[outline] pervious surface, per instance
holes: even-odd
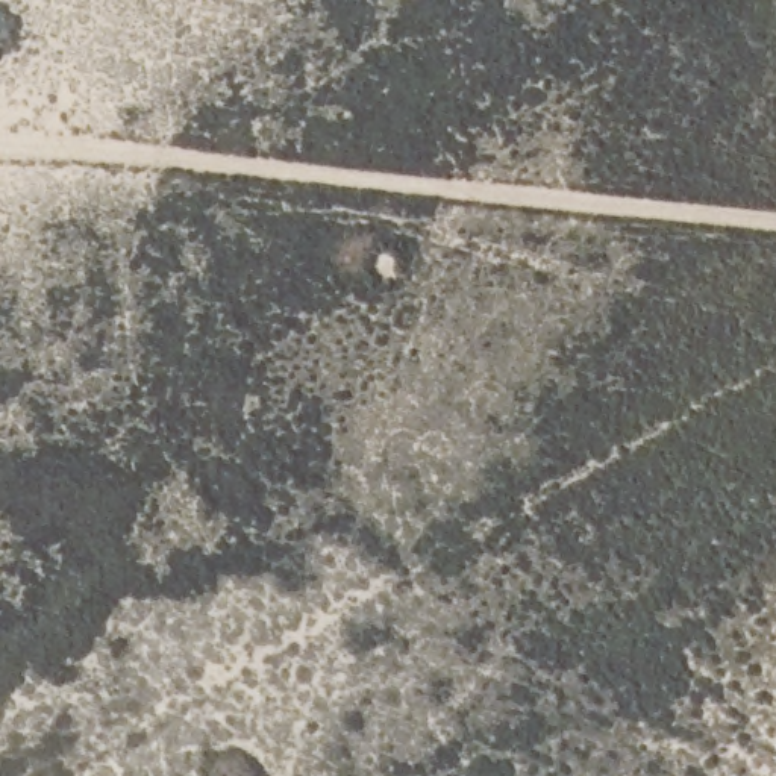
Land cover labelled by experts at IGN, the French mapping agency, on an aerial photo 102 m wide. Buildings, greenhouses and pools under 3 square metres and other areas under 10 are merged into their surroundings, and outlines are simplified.
[[[21,18],[21,42],[15,52],[0,58],[0,158],[91,158],[115,164],[158,164],[200,173],[239,173],[285,182],[321,182],[343,188],[379,188],[433,197],[579,209],[600,215],[776,230],[776,212],[585,191],[494,185],[473,179],[427,179],[321,164],[294,164],[276,158],[215,155],[179,146],[139,146],[118,139],[73,136],[79,124],[115,130],[121,118],[121,109],[146,106],[152,94],[179,88],[188,79],[188,73],[209,79],[209,61],[218,58],[218,45],[239,49],[239,36],[233,30],[249,30],[261,39],[276,33],[279,24],[291,18],[291,12],[279,0],[12,0],[9,9]]]
[[[534,515],[537,506],[543,506],[552,497],[552,488],[558,485],[573,488],[597,470],[612,467],[618,461],[618,449],[612,446],[609,455],[585,461],[567,476],[543,479],[534,494],[524,494],[521,512]]]
[[[379,597],[385,588],[394,585],[397,576],[385,573],[379,573],[367,588],[346,591],[340,600],[333,597],[333,591],[327,591],[327,612],[306,612],[297,631],[282,634],[288,646],[306,646],[312,637],[321,637],[330,624],[343,621],[346,618],[352,606]]]
[[[236,679],[243,670],[258,673],[267,667],[267,655],[276,655],[273,646],[258,646],[255,655],[246,655],[243,646],[233,643],[233,664],[221,670],[218,664],[209,664],[200,676],[203,688],[224,685],[227,679]]]
[[[637,433],[634,440],[627,440],[627,446],[634,449],[634,452],[637,452],[637,449],[643,449],[646,443],[652,443],[652,440],[658,440],[658,437],[664,437],[667,430],[670,430],[670,421],[658,421],[658,424],[652,424],[652,427],[646,427],[643,433]]]
[[[776,373],[776,364],[767,361],[743,379],[724,382],[691,400],[691,409],[703,409],[709,400],[746,391],[764,373]]]
[[[82,170],[0,167],[0,197],[45,194],[49,185],[79,182]]]

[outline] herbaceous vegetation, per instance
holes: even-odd
[[[473,179],[494,185],[585,191],[585,167],[570,158],[573,142],[582,136],[582,124],[570,118],[570,109],[579,103],[576,97],[570,97],[558,103],[555,88],[543,103],[518,106],[491,118],[491,133],[479,139],[476,149],[494,155],[494,164],[473,167]]]
[[[258,149],[294,142],[294,149],[303,149],[306,121],[285,127],[279,118],[255,118],[252,133]]]
[[[139,209],[155,209],[158,185],[149,185],[142,173],[82,170],[79,182],[49,185],[45,194],[0,197],[0,370],[18,370],[21,364],[33,367],[33,379],[24,382],[6,406],[0,406],[0,449],[27,449],[30,455],[36,455],[39,443],[67,443],[85,446],[94,455],[103,452],[109,461],[136,470],[139,458],[124,449],[124,440],[133,427],[142,433],[155,430],[152,388],[136,379],[142,346],[136,333],[152,330],[149,312],[161,303],[176,300],[179,282],[170,273],[167,288],[146,297],[142,285],[149,279],[149,267],[130,270],[130,258],[136,258],[139,239],[146,236],[133,224],[133,218]]]
[[[233,30],[239,36],[239,49],[218,45],[218,58],[209,61],[209,79],[188,73],[188,79],[179,88],[152,94],[146,106],[121,109],[121,118],[127,124],[136,124],[139,118],[152,118],[155,112],[167,112],[176,115],[176,124],[182,127],[188,115],[197,115],[200,106],[224,106],[227,97],[239,94],[255,106],[276,106],[285,100],[285,88],[294,82],[294,73],[300,67],[306,67],[306,91],[315,91],[321,85],[343,88],[346,73],[352,73],[364,61],[370,49],[388,45],[388,24],[391,18],[397,18],[394,0],[379,0],[376,33],[364,36],[355,49],[349,49],[340,42],[336,30],[327,30],[321,0],[279,0],[291,12],[291,18],[279,24],[276,33],[261,39],[249,30]]]
[[[215,218],[215,224],[227,236],[246,236],[255,252],[264,249],[264,236],[255,227],[236,224],[239,215],[252,215],[249,209],[209,206],[206,215]]]
[[[370,236],[358,236],[340,246],[336,258],[349,273],[361,270],[364,249],[370,246]]]
[[[343,621],[330,624],[321,637],[312,637],[306,646],[288,646],[282,634],[297,631],[306,612],[327,612],[327,591],[333,591],[333,597],[340,600],[346,591],[367,588],[379,573],[385,573],[379,564],[364,561],[358,549],[333,546],[324,534],[318,534],[312,537],[312,552],[306,564],[321,576],[321,582],[306,585],[294,594],[279,591],[270,576],[227,576],[221,579],[215,594],[197,600],[124,597],[118,609],[106,618],[106,631],[94,640],[94,649],[85,658],[67,658],[67,667],[79,670],[73,682],[52,685],[36,673],[24,673],[24,682],[18,685],[18,691],[12,691],[0,715],[0,776],[200,776],[200,752],[212,749],[246,749],[261,761],[261,767],[270,776],[336,776],[336,761],[324,755],[327,743],[352,746],[358,776],[470,776],[470,764],[479,758],[509,761],[515,776],[776,776],[776,582],[764,585],[761,609],[749,612],[746,603],[737,603],[734,615],[721,618],[721,624],[715,627],[721,664],[709,667],[694,655],[694,649],[685,646],[685,664],[691,676],[685,694],[673,703],[673,724],[664,737],[661,731],[649,728],[649,721],[627,718],[618,718],[606,731],[597,731],[591,724],[591,712],[606,715],[615,709],[612,688],[600,685],[597,679],[582,682],[585,664],[573,664],[570,670],[543,670],[540,661],[518,655],[512,646],[524,634],[552,637],[546,615],[552,612],[561,621],[570,621],[576,609],[585,609],[588,603],[621,603],[646,597],[649,588],[658,582],[658,567],[649,558],[637,555],[640,573],[631,573],[618,564],[618,558],[609,558],[606,570],[594,582],[585,573],[585,567],[567,564],[558,555],[540,555],[540,546],[552,537],[534,530],[524,530],[521,546],[515,546],[512,552],[506,549],[506,537],[500,537],[491,555],[479,555],[473,567],[446,579],[424,567],[415,555],[415,543],[424,537],[424,527],[446,518],[449,497],[461,497],[467,503],[476,497],[476,476],[494,458],[524,464],[530,458],[527,437],[540,424],[534,406],[540,388],[552,382],[558,385],[561,397],[567,397],[576,388],[576,376],[564,376],[555,367],[555,340],[573,349],[576,336],[585,330],[606,336],[612,330],[609,306],[615,294],[643,291],[643,279],[634,276],[631,267],[643,261],[643,252],[627,252],[627,246],[621,243],[621,230],[597,224],[600,215],[579,209],[433,197],[433,218],[397,215],[391,209],[355,209],[340,203],[312,206],[309,215],[321,215],[324,221],[336,224],[388,221],[397,227],[400,236],[418,243],[424,261],[412,273],[403,273],[391,255],[379,255],[379,273],[385,279],[394,276],[403,285],[400,291],[382,294],[379,303],[367,303],[355,294],[346,294],[343,306],[330,309],[327,315],[297,312],[297,321],[309,324],[309,330],[288,330],[288,336],[273,340],[270,349],[255,352],[255,361],[267,364],[267,376],[285,379],[282,385],[267,388],[267,418],[285,418],[291,424],[291,433],[300,433],[297,415],[303,415],[303,406],[288,403],[294,388],[303,388],[309,397],[321,397],[321,403],[330,409],[330,446],[343,464],[343,476],[333,488],[355,503],[358,515],[376,521],[379,534],[394,537],[400,561],[409,567],[412,585],[409,591],[397,591],[394,585],[385,588],[379,597],[352,606],[346,618],[391,627],[394,634],[409,637],[409,652],[400,652],[385,643],[370,652],[352,655],[343,640]],[[236,679],[227,679],[224,685],[203,688],[200,676],[209,664],[218,664],[221,670],[233,664],[233,643],[243,646],[246,655],[255,655],[258,646],[273,646],[276,655],[267,655],[267,667],[258,673],[243,670]],[[527,721],[527,715],[537,712],[543,712],[549,721],[549,740],[527,746],[524,752],[494,749],[497,724],[518,728],[521,721]],[[430,755],[449,740],[461,746],[461,758],[458,764],[440,770],[430,761]]]
[[[6,600],[12,606],[21,606],[24,582],[0,570],[0,603]]]
[[[706,606],[670,606],[661,615],[664,627],[679,627],[685,618],[706,618]]]
[[[267,540],[279,546],[285,543],[288,530],[315,521],[309,509],[315,503],[324,506],[327,515],[336,515],[336,497],[321,494],[318,488],[300,488],[294,479],[285,479],[285,491],[294,497],[294,509],[288,515],[276,515],[267,527]]]
[[[42,576],[42,561],[27,549],[27,543],[18,534],[12,534],[9,521],[0,518],[0,567],[6,567],[9,561],[24,561],[36,576]]]
[[[534,30],[546,30],[558,18],[573,15],[579,9],[573,0],[503,0],[506,15],[524,15]]]
[[[142,552],[142,564],[149,564],[158,576],[167,576],[167,558],[173,549],[197,546],[212,555],[227,530],[227,515],[200,515],[200,497],[188,488],[188,473],[179,470],[170,482],[164,482],[161,491],[155,488],[146,494],[130,527],[130,543]]]

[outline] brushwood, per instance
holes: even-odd
[[[246,749],[212,749],[200,752],[200,776],[270,776],[261,767],[261,761]]]
[[[673,703],[685,694],[691,676],[685,664],[685,646],[694,649],[694,655],[709,667],[721,664],[715,627],[721,624],[721,618],[734,615],[737,603],[746,603],[749,612],[761,609],[764,585],[776,582],[776,373],[764,373],[746,391],[709,400],[703,409],[691,409],[691,400],[724,382],[743,379],[767,361],[776,364],[776,230],[600,215],[597,224],[621,230],[621,243],[627,246],[627,252],[643,252],[643,261],[631,267],[634,276],[643,279],[643,291],[615,294],[609,306],[612,330],[606,336],[585,330],[576,336],[573,349],[555,340],[555,367],[564,376],[576,376],[576,388],[567,397],[561,397],[558,385],[552,382],[540,388],[534,406],[540,424],[527,437],[530,458],[524,464],[494,458],[476,476],[476,497],[467,503],[461,497],[449,497],[446,518],[424,527],[424,537],[415,543],[415,555],[424,567],[446,579],[473,567],[479,555],[491,555],[500,537],[506,537],[506,549],[512,552],[515,546],[521,546],[524,530],[534,530],[552,537],[540,546],[540,555],[558,555],[567,564],[585,567],[585,573],[594,582],[606,570],[609,558],[618,558],[618,564],[631,573],[640,573],[637,555],[649,558],[658,567],[658,582],[649,588],[646,597],[621,603],[588,603],[585,609],[576,609],[570,621],[561,621],[552,612],[546,615],[552,637],[524,634],[512,646],[518,655],[540,661],[543,670],[570,670],[573,664],[585,664],[582,682],[597,679],[600,685],[612,688],[615,709],[606,715],[591,712],[591,724],[597,731],[606,731],[618,718],[627,718],[649,721],[649,728],[661,731],[664,737],[673,724]],[[658,424],[658,421],[670,421],[670,430],[667,430],[664,437],[658,437],[658,440],[652,440],[652,443],[646,443],[643,449],[637,449],[637,452],[634,452],[634,449],[627,446],[627,440],[634,440],[637,433],[643,433],[646,427],[652,427],[652,424]],[[612,467],[597,470],[573,488],[558,485],[552,488],[552,497],[543,506],[537,506],[534,515],[521,512],[524,494],[534,494],[543,479],[567,476],[585,461],[609,455],[612,446],[618,449],[618,461]],[[706,606],[706,618],[685,618],[679,627],[664,627],[661,615],[670,606]]]
[[[315,91],[306,91],[306,67],[300,67],[294,73],[294,82],[285,88],[285,100],[276,106],[255,106],[239,94],[227,97],[224,106],[200,106],[197,115],[188,115],[182,127],[176,124],[176,115],[167,112],[155,112],[152,118],[139,118],[136,124],[127,124],[121,118],[115,130],[79,124],[73,136],[118,139],[139,146],[179,146],[215,155],[276,158],[294,164],[321,164],[427,179],[473,179],[473,167],[494,164],[494,155],[476,149],[479,139],[491,133],[491,118],[518,106],[543,103],[555,88],[558,103],[570,97],[576,97],[579,103],[570,109],[570,118],[582,124],[582,136],[573,142],[570,158],[585,167],[585,191],[776,212],[776,0],[573,0],[579,9],[573,15],[558,18],[546,30],[534,30],[524,15],[506,15],[503,0],[394,0],[397,18],[391,18],[388,24],[388,45],[370,49],[364,61],[352,73],[346,73],[343,88],[321,85]],[[303,149],[294,149],[294,142],[258,149],[252,133],[255,118],[279,118],[285,127],[306,121]]]
[[[470,764],[470,776],[515,776],[509,761],[479,758]]]
[[[409,652],[409,637],[394,634],[391,627],[346,618],[343,621],[343,640],[352,655],[370,652],[385,643],[400,652]]]
[[[0,58],[15,52],[21,42],[21,18],[9,9],[12,0],[0,0]]]
[[[458,764],[461,758],[461,746],[449,740],[430,755],[430,761],[440,770]]]
[[[349,49],[355,49],[364,36],[376,33],[379,0],[321,0],[327,30],[336,30],[340,42]]]
[[[494,749],[524,752],[527,746],[549,740],[549,721],[543,712],[537,712],[527,715],[527,721],[521,721],[518,728],[497,724]]]
[[[355,503],[333,488],[343,476],[343,464],[330,446],[330,409],[321,403],[321,397],[309,397],[303,388],[294,388],[288,403],[303,406],[303,415],[297,415],[300,433],[291,433],[291,424],[285,418],[267,418],[267,388],[282,385],[285,379],[267,376],[267,364],[255,361],[255,352],[270,349],[273,340],[288,336],[288,330],[309,330],[309,324],[297,321],[297,312],[327,315],[330,309],[343,306],[346,294],[355,294],[367,303],[379,303],[382,294],[400,291],[403,285],[394,276],[385,279],[379,273],[379,255],[391,255],[403,273],[412,273],[424,261],[418,243],[400,236],[397,227],[388,221],[336,224],[324,221],[321,215],[309,215],[312,206],[340,203],[355,209],[391,209],[397,215],[433,218],[433,197],[379,188],[343,188],[321,182],[285,182],[239,173],[200,173],[158,164],[115,164],[91,158],[0,158],[0,167],[82,170],[142,173],[149,185],[158,185],[155,209],[139,209],[133,218],[133,224],[146,236],[139,239],[136,258],[130,258],[130,270],[149,267],[149,279],[142,285],[146,297],[167,288],[170,273],[179,282],[176,300],[161,303],[149,312],[152,330],[136,333],[142,346],[136,379],[152,388],[155,430],[142,433],[133,427],[124,440],[124,449],[139,458],[136,470],[109,461],[103,452],[94,455],[85,446],[67,443],[39,443],[36,455],[30,455],[27,449],[0,449],[0,518],[9,521],[12,534],[18,534],[27,543],[27,549],[42,561],[42,576],[36,576],[24,561],[9,561],[6,567],[0,567],[0,570],[24,582],[21,606],[12,606],[6,600],[0,603],[0,715],[12,691],[18,691],[18,685],[24,682],[24,673],[36,673],[52,685],[73,682],[79,670],[67,667],[67,658],[85,658],[94,649],[94,640],[106,631],[106,618],[118,609],[124,597],[197,600],[215,594],[221,579],[227,576],[270,576],[279,591],[294,594],[306,585],[321,582],[321,576],[306,564],[312,552],[312,537],[318,534],[324,534],[333,546],[358,549],[364,561],[379,564],[385,573],[397,576],[394,585],[397,591],[409,591],[412,585],[409,567],[400,561],[394,537],[379,534],[376,521],[358,515]],[[215,218],[206,215],[209,206],[249,209],[252,215],[239,215],[236,224],[255,227],[264,236],[264,249],[255,252],[246,236],[227,236],[215,224]],[[370,236],[370,246],[364,249],[361,270],[349,273],[336,258],[340,246],[358,236]],[[200,515],[227,515],[227,530],[212,555],[197,546],[173,549],[167,558],[167,576],[158,576],[149,564],[142,564],[142,552],[130,543],[130,527],[146,494],[155,488],[161,491],[164,482],[170,482],[179,470],[188,473],[188,488],[200,497]],[[288,530],[285,543],[279,546],[267,540],[267,527],[276,515],[288,515],[294,509],[294,497],[285,491],[285,479],[294,479],[300,488],[318,488],[321,494],[336,497],[336,515],[327,515],[324,506],[315,503],[309,509],[315,521]]]
[[[327,743],[324,755],[336,761],[336,776],[358,776],[352,746]]]
[[[33,379],[33,367],[21,364],[18,370],[0,370],[0,406],[6,406],[24,382]]]

